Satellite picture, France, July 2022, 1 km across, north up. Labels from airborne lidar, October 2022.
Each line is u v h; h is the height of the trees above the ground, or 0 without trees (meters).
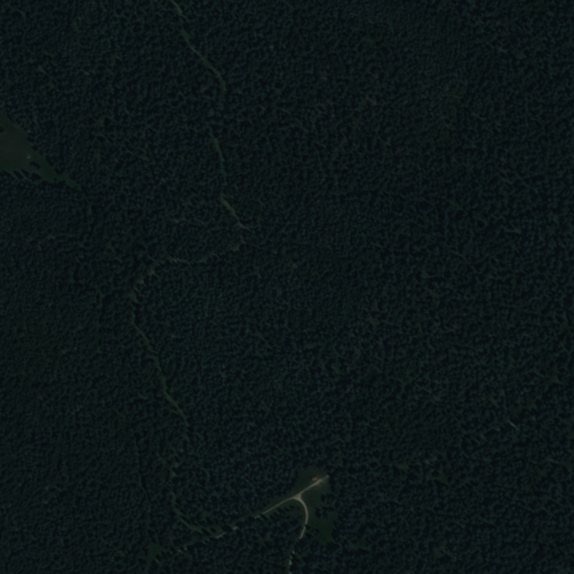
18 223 18
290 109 26
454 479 20
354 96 9
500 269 30
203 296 22
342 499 17
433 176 25
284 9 17
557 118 25
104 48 19
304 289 23
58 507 26
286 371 22
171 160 15
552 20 32
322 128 28
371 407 18
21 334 17
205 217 30
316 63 23
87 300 14
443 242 22
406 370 14
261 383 19
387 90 8
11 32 24
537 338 15
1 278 22
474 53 17
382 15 14
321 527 0
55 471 16
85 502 23
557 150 24
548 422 25
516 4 21
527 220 33
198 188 7
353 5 18
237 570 20
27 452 23
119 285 28
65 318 17
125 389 21
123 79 32
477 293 26
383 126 21
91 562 25
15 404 23
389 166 19
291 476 32
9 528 23
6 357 18
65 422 26
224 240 26
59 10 11
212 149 17
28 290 20
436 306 20
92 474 27
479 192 27
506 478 22
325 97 24
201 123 22
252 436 30
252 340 23
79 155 22
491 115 21
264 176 16
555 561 22
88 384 22
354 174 21
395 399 17
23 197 15
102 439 18
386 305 26
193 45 9
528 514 28
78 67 13
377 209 14
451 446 8
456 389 18
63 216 24
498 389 9
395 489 28
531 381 30
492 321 22
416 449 21
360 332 15
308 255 18
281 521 28
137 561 21
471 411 12
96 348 8
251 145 23
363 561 15
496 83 28
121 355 19
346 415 31
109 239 14
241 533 16
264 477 27
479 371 21
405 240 22
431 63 20
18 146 0
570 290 32
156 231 33
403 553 19
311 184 29
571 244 23
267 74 28
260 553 27
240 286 23
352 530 33
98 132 28
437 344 23
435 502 32
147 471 29
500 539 25
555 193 34
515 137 33
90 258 15
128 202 26
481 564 16
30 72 12
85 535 18
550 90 27
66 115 31
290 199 16
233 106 26
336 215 20
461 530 26
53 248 13
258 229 20
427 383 23
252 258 18
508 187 23
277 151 29
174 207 19
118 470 25
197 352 24
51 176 0
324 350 12
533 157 29
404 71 17
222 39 25
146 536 26
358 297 20
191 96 24
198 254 16
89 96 22
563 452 30
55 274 10
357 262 21
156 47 34
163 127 22
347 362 21
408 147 23
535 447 26
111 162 20
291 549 31
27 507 18
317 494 0
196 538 27
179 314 18
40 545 14
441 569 15
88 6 22
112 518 18
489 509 30
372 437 23
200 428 21
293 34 17
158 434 17
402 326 19
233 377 23
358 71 20
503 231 22
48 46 24
